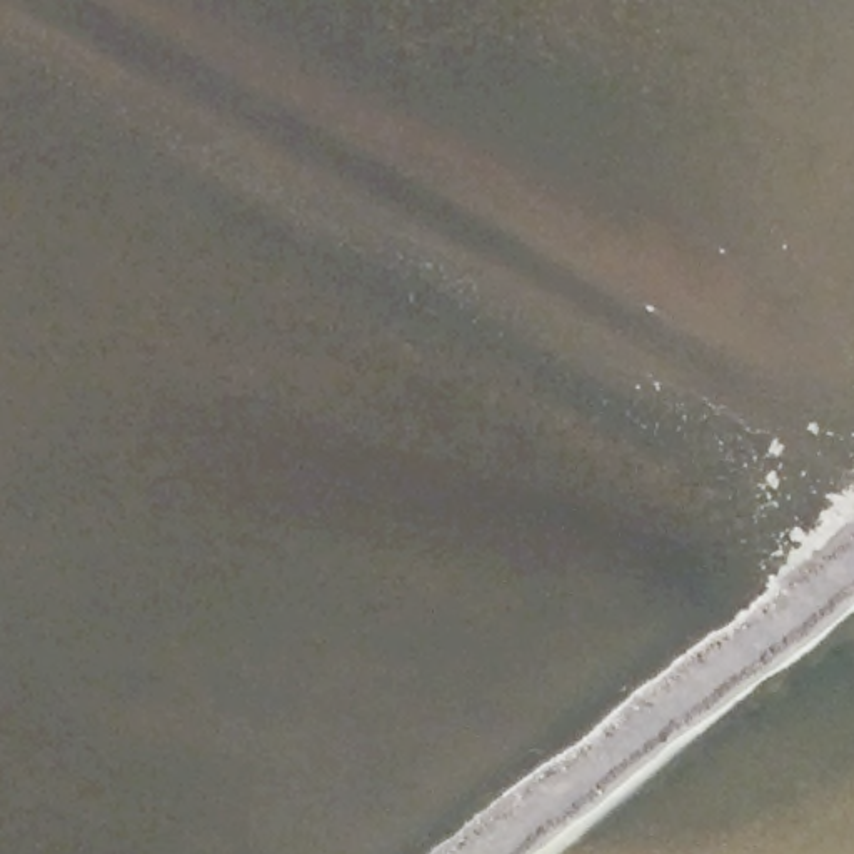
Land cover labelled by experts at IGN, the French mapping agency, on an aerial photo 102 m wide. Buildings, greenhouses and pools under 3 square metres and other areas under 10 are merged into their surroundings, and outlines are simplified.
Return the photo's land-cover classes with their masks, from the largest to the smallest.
<instances>
[{"label":"water","instance_id":"1","mask_svg":"<svg viewBox=\"0 0 854 854\"><path fill-rule=\"evenodd\" d=\"M854 487V0H0V854H437V841L450 837L464 821L484 811L500 791H507L527 771H534L540 761L554 757L577 737H584L637 684L664 671L694 641H701L714 627H724L757 594H764L767 577L777 574L787 554L797 547L791 530H814L821 514L827 510L831 494ZM567 854H854V614L824 644H817L787 671L764 681L751 697H744L734 711H727L717 724L694 737L681 754H674L634 794H627L614 811H607L594 827H587Z\"/></svg>","mask_w":854,"mask_h":854},{"label":"pervious surface","instance_id":"2","mask_svg":"<svg viewBox=\"0 0 854 854\"><path fill-rule=\"evenodd\" d=\"M797 547L787 554L777 574L767 577L764 594H757L724 627H714L701 641H694L664 671L637 684L584 737H577L554 757L540 761L534 771H527L507 791H500L484 811L464 821L450 837L437 841V854H510L534 824L557 811L570 794L597 781L627 751L657 734L667 717L701 701L714 684H721L727 674L757 657L784 630L801 624L817 604H824V597L837 607L807 637H801L771 664H764L734 691H727L714 707L697 714L687 727L671 734L637 767L614 781L577 817L550 831L540 841L547 854H567L587 827H594L607 811H614L627 794H634L674 754H681L694 737L717 724L727 711H734L744 697H751L764 681L787 671L817 644H824L854 614V487L831 494L827 510L821 514L814 530H791Z\"/></svg>","mask_w":854,"mask_h":854},{"label":"brushwood","instance_id":"3","mask_svg":"<svg viewBox=\"0 0 854 854\"><path fill-rule=\"evenodd\" d=\"M837 607L824 597V604H817L801 624L784 630L757 657L727 674L721 684H714L701 701L667 717L657 734L627 751L597 781L570 794L557 811L534 824L510 854H547L540 841L550 831L577 817L614 781L637 767L671 734L687 727L697 714L714 707L727 691H734L764 664H771L801 637H807Z\"/></svg>","mask_w":854,"mask_h":854}]
</instances>
